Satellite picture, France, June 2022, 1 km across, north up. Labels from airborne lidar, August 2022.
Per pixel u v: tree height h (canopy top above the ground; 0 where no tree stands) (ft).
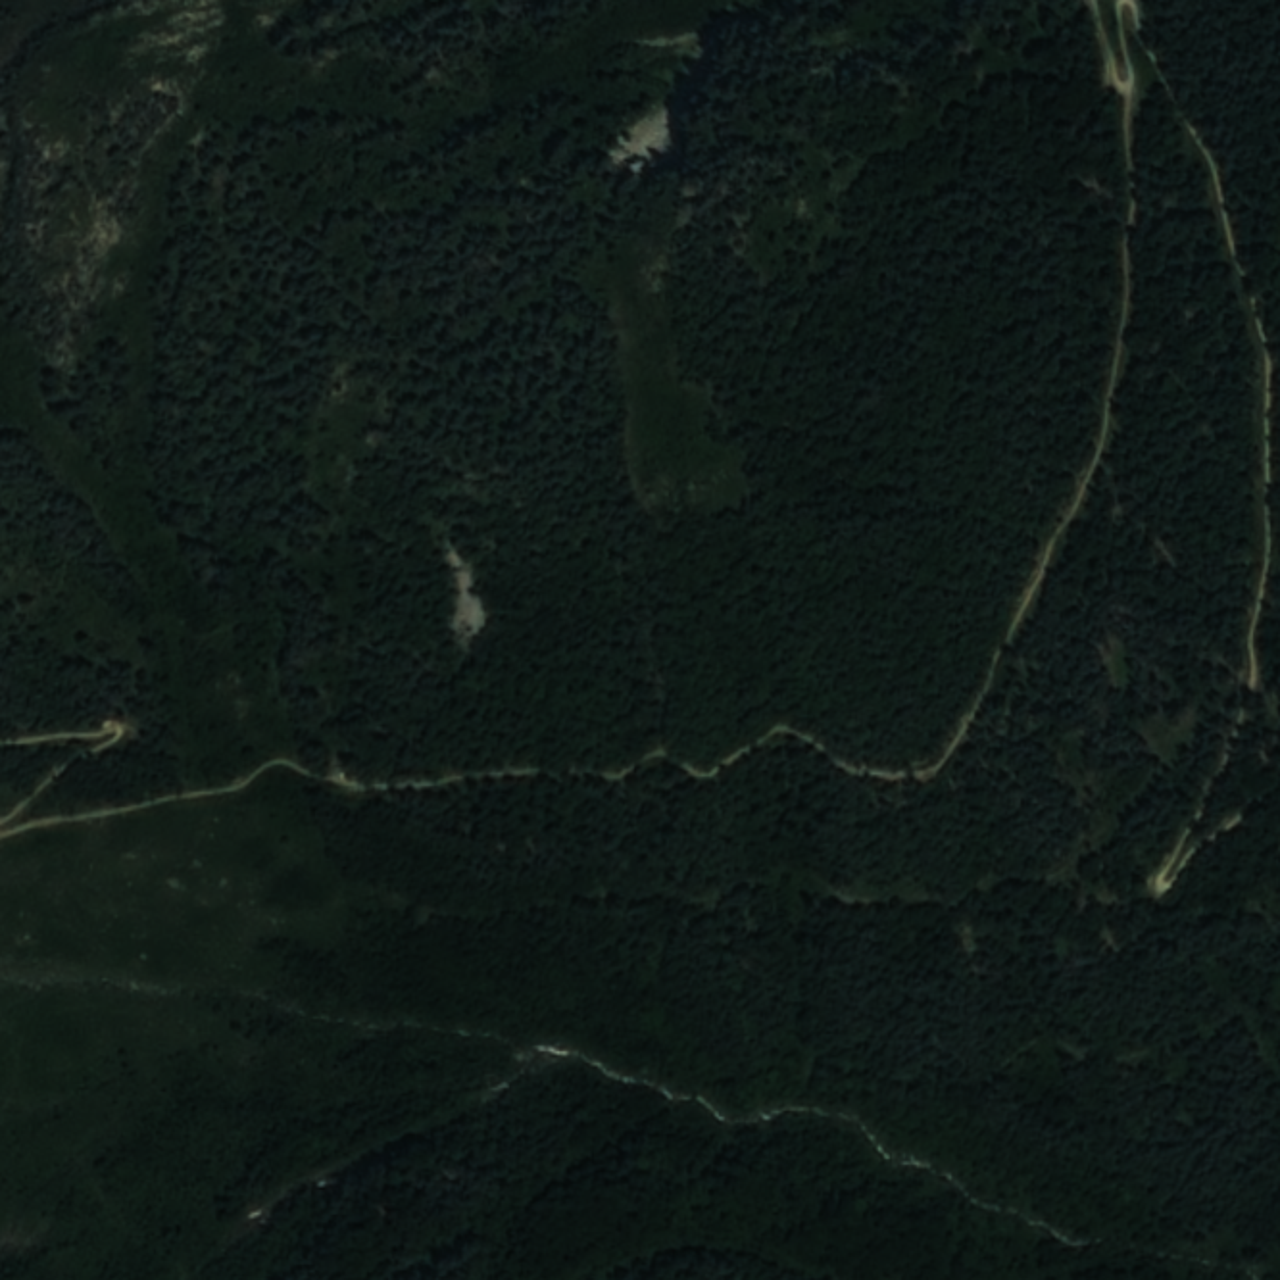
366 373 76
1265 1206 52
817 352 74
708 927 100
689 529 27
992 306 65
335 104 23
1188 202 43
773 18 27
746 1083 26
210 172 67
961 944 74
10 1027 0
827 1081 74
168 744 68
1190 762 85
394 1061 33
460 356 76
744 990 50
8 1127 0
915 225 30
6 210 59
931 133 39
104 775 58
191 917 0
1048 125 66
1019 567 78
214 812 0
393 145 25
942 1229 50
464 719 75
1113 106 82
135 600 40
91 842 0
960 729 64
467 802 33
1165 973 92
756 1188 66
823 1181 43
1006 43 80
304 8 22
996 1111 90
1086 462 60
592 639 73
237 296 21
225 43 29
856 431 79
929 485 75
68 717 58
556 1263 53
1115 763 84
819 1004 59
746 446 38
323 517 90
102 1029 0
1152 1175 87
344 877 31
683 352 40
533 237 105
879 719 59
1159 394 55
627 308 0
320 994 33
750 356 55
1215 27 78
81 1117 0
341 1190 39
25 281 42
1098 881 58
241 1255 19
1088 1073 86
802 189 32
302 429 52
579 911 65
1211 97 90
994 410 86
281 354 70
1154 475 67
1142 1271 42
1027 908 63
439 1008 29
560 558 43
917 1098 77
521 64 52
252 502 26
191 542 84
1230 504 73
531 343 96
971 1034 84
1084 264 80
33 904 0
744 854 49
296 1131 47
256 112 17
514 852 75
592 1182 52
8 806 0
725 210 72
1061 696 64
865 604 51
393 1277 51
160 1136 20
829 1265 55
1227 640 88
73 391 43
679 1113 21
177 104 52
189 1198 22
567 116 43
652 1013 41
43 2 0
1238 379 80
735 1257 47
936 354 58
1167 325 55
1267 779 78
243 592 67
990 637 68
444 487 33
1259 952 92
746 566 68
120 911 0
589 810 61
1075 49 109
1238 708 87
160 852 0
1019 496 89
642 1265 48
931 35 121
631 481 48
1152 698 83
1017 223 103
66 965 0
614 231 72
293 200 17
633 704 38
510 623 65
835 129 40
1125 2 0
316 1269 52
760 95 77
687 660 59
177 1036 0
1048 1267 42
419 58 91
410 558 63
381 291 93
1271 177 70
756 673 65
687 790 69
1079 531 60
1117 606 91
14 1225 0
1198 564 98
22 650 88
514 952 39
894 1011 57
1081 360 58
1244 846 83
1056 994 92
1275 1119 31
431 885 56
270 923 0
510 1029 22
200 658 24
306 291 91
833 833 64
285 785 26
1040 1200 40
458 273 106
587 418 99
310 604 83
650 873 76
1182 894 37
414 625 38
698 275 69
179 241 53
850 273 90
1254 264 97
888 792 69
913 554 59
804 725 72
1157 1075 48
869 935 74
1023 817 65
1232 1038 83
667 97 29
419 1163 90
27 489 71
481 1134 38
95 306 24
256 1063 22
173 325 54
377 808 59
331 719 24
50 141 0
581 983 44
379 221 83
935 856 61
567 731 67
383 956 24
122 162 43
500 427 23
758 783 57
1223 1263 33
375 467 40
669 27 19
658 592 29
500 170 26
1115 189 80
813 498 54
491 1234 47
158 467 79
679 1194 54
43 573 42
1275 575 24
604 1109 36
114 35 18
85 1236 19
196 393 34
